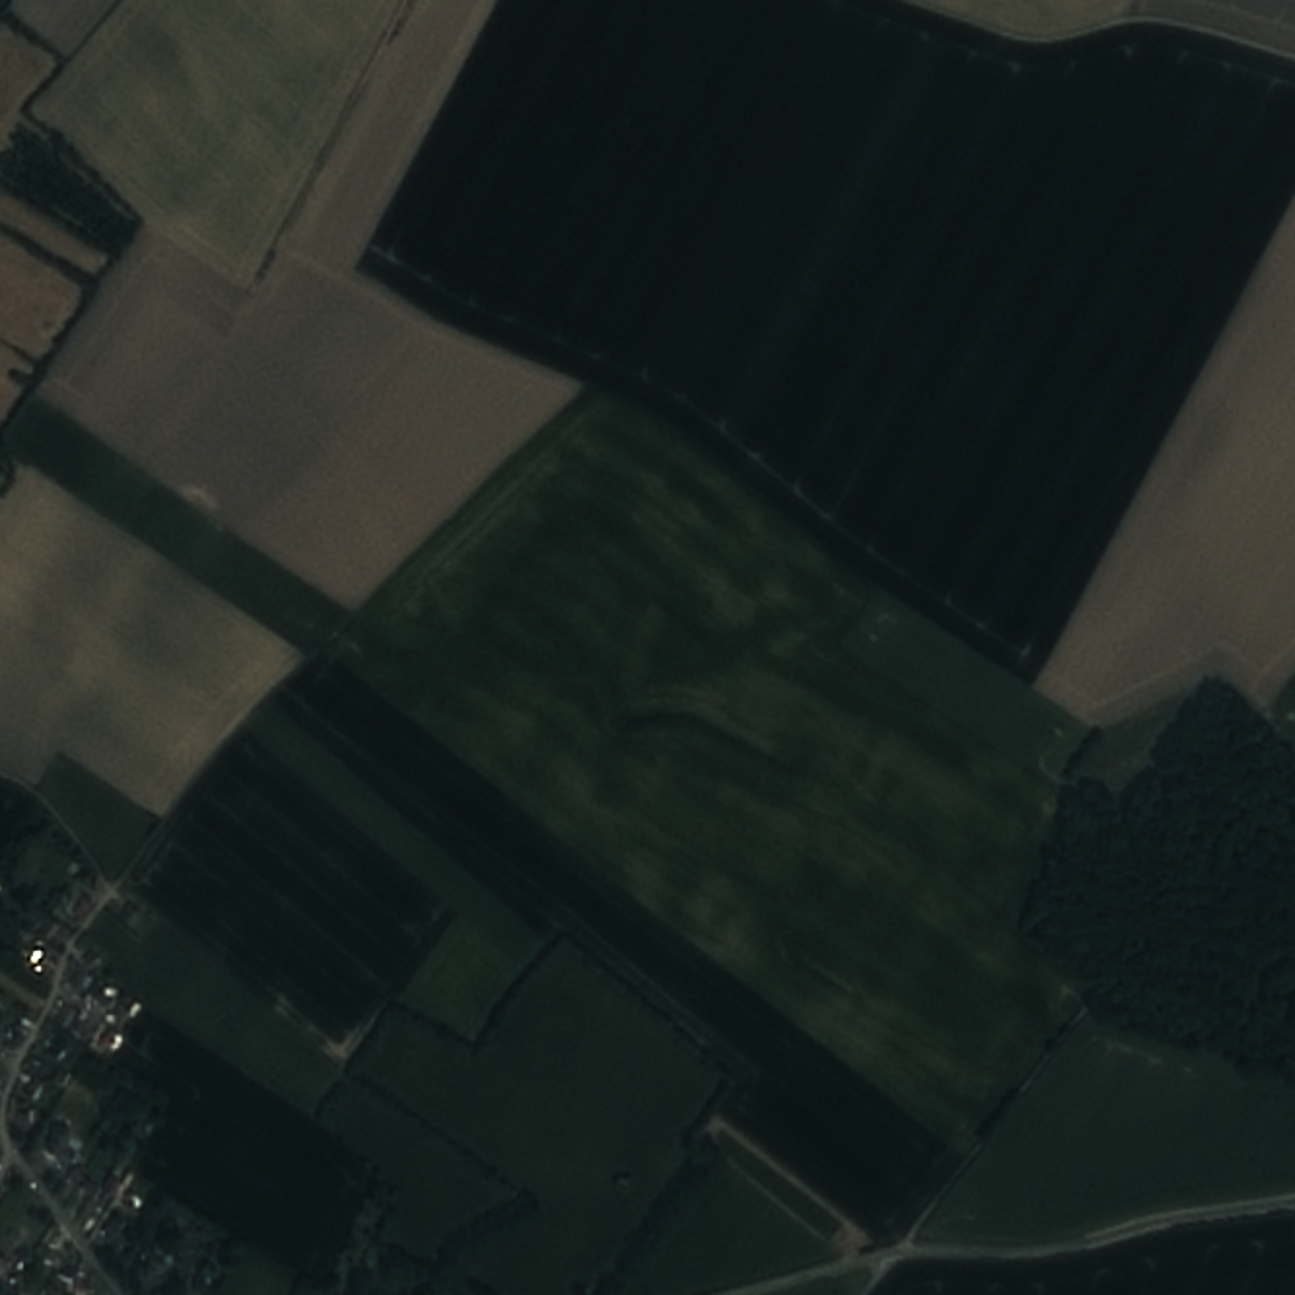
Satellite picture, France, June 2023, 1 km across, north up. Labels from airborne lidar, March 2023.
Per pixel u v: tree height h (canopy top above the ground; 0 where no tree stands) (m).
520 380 0
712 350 0
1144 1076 0
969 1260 0
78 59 0
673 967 0
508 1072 0
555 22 0
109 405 0
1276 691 0
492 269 0
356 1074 6
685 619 0
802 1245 0
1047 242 0
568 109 0
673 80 0
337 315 0
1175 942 27
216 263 0
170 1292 17
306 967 0
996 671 0
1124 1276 0
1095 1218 0
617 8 0
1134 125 0
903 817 0
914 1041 0
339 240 0
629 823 0
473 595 0
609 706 0
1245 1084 0
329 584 0
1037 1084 0
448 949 0
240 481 0
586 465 0
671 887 0
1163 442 0
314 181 0
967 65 0
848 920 0
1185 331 0
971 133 0
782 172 0
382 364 0
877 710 0
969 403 0
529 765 0
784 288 0
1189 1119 0
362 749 0
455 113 0
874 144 0
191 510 0
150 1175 0
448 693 0
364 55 0
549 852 0
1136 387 0
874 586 0
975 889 0
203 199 0
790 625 0
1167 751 18
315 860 0
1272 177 0
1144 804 17
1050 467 0
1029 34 0
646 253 0
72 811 0
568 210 0
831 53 0
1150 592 0
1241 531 0
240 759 0
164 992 0
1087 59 0
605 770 0
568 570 0
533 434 0
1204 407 0
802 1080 0
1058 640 0
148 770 0
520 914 0
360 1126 0
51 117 0
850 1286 0
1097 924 22
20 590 0
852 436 0
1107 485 0
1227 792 26
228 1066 0
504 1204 0
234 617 0
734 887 0
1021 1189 0
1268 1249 0
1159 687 0
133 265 0
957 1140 0
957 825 0
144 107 0
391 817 0
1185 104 0
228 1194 0
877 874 0
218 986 0
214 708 0
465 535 0
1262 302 0
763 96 0
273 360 0
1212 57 0
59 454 0
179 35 0
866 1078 0
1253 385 0
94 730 0
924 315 0
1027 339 0
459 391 0
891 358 0
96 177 8
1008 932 0
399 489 0
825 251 0
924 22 0
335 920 0
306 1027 0
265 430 0
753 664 0
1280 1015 27
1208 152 0
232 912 0
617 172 0
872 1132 0
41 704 0
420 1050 0
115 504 0
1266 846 27
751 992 0
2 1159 0
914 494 0
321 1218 0
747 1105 0
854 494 0
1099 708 0
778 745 0
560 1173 0
